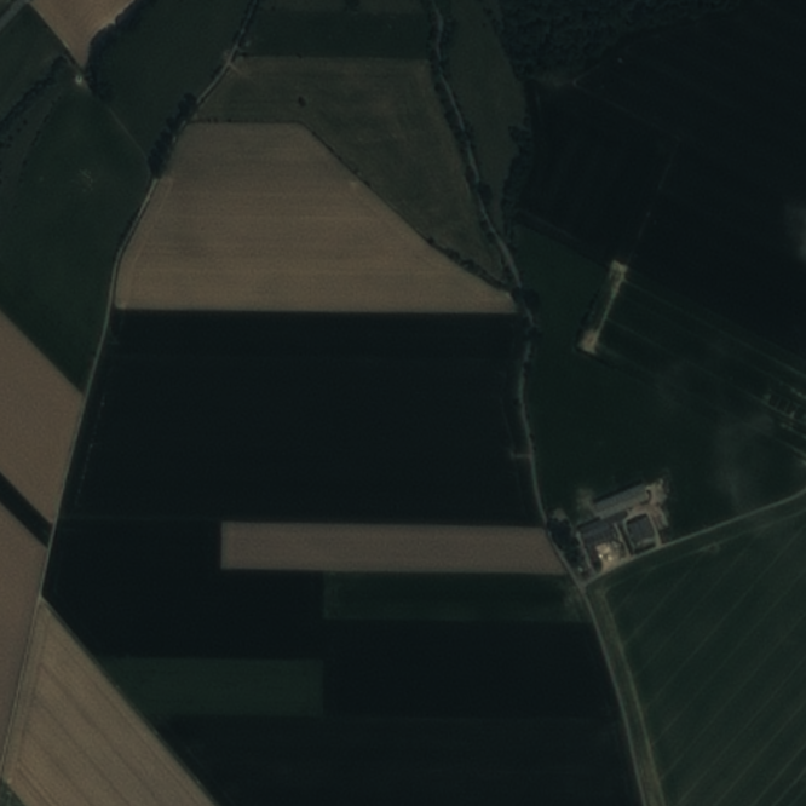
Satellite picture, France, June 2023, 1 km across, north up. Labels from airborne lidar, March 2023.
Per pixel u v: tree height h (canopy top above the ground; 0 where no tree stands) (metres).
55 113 0
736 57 0
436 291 0
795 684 0
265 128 0
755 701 0
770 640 0
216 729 0
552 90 0
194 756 0
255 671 0
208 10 0
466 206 0
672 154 0
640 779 0
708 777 0
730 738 0
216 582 0
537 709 0
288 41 0
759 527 0
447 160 0
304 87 0
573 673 0
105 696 0
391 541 0
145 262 0
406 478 0
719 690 0
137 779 0
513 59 15
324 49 0
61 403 0
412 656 0
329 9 0
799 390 0
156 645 0
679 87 0
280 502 0
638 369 0
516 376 0
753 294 0
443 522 0
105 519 0
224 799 0
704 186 0
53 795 0
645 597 0
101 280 0
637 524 0
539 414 0
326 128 0
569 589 0
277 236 0
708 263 0
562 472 0
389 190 0
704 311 0
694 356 0
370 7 0
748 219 0
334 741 0
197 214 0
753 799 0
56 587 0
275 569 0
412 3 0
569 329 0
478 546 0
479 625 0
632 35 0
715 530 0
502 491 0
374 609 0
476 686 0
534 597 0
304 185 0
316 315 0
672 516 0
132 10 14
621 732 0
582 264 0
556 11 23
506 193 9
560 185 0
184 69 0
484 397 0
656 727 0
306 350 0
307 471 0
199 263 0
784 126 0
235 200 0
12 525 0
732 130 0
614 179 0
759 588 0
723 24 0
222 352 0
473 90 0
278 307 0
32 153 0
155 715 0
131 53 0
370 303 0
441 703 0
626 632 0
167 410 0
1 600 0
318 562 0
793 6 0
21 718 0
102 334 0
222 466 0
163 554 0
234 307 0
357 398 0
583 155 0
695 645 0
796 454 0
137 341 0
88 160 0
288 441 0
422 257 0
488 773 0
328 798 0
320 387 0
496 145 0
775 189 0
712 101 0
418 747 0
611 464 0
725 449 0
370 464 0
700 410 0
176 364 0
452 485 0
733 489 0
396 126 0
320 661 0
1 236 0
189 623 0
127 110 0
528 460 0
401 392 0
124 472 0
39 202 0
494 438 0
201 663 0
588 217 0
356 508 0
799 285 0
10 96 0
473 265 9
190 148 0
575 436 0
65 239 0
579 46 16
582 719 0
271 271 0
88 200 0
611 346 0
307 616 0
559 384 0
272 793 0
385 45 0
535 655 0
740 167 0
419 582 0
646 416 0
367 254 0
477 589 0
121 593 0
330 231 0
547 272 0
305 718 0
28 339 0
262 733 0
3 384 0
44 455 0
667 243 0
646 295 0
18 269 0
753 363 0
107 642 0
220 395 0
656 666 0
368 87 0
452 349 0
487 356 0
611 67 0
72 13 0
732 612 0
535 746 0
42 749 0
